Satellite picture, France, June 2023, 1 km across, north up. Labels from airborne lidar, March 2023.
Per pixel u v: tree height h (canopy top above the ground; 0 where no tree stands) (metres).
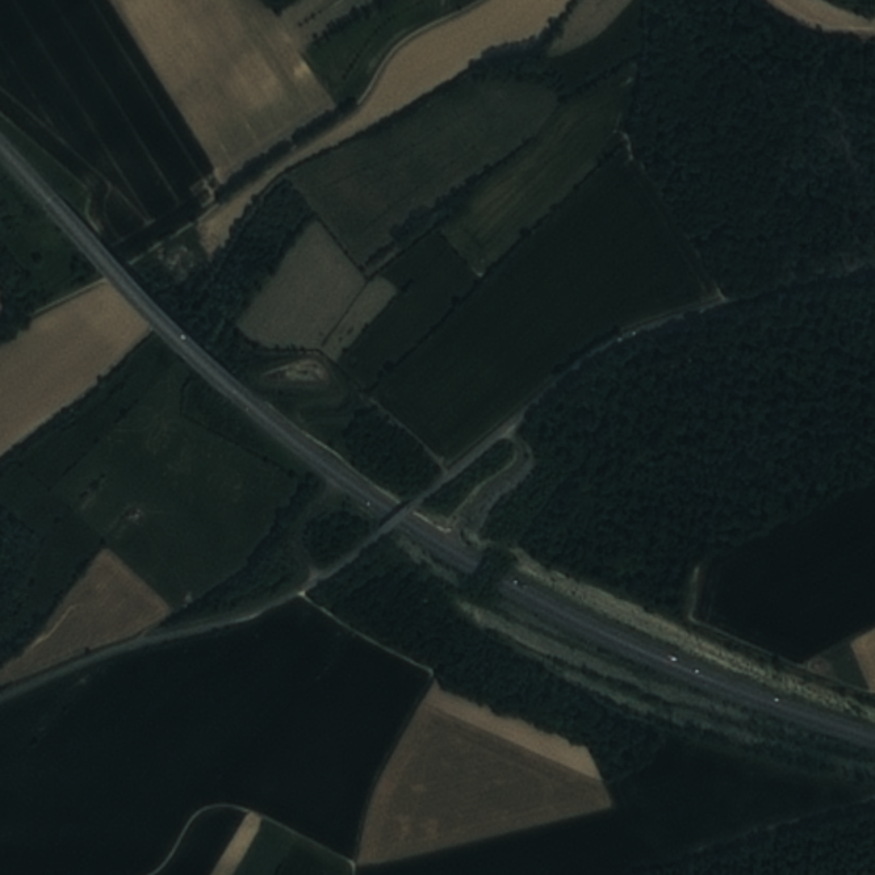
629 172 0
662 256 0
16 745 0
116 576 0
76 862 0
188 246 0
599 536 14
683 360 14
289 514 10
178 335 0
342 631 0
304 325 0
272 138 0
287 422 0
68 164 0
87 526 0
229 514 0
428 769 0
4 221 9
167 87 0
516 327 0
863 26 0
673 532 27
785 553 0
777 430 25
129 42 0
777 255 25
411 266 0
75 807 0
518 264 0
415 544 0
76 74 0
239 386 0
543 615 0
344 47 0
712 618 0
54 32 0
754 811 0
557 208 9
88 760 0
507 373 0
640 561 13
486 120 0
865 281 19
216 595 8
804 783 0
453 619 10
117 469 0
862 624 0
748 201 28
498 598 7
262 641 0
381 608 13
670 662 0
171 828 0
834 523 0
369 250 0
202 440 0
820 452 28
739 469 26
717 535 25
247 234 6
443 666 16
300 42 0
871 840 12
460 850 0
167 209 0
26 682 0
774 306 24
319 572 0
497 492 0
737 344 24
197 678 0
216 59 0
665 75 24
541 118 0
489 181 0
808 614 0
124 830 0
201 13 0
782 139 32
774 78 30
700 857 10
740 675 0
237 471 0
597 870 0
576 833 0
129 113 0
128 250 0
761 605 0
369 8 16
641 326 0
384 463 10
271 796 0
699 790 0
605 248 0
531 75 12
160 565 0
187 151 0
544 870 0
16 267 19
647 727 6
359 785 0
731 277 25
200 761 0
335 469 0
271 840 0
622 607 0
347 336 0
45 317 0
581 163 0
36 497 0
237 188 11
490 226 0
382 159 0
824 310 23
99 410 0
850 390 28
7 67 0
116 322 0
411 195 0
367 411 9
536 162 0
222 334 17
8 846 0
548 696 18
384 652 0
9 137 0
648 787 0
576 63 0
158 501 0
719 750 0
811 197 15
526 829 0
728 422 23
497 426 0
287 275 0
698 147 27
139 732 0
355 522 11
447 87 7
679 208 19
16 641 12
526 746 0
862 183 19
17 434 0
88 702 0
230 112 0
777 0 0
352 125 0
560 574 0
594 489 14
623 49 0
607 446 25
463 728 0
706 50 25
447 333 0
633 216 0
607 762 18
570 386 17
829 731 0
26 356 0
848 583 0
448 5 0
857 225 17
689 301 0
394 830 0
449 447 0
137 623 0
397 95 0
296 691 0
